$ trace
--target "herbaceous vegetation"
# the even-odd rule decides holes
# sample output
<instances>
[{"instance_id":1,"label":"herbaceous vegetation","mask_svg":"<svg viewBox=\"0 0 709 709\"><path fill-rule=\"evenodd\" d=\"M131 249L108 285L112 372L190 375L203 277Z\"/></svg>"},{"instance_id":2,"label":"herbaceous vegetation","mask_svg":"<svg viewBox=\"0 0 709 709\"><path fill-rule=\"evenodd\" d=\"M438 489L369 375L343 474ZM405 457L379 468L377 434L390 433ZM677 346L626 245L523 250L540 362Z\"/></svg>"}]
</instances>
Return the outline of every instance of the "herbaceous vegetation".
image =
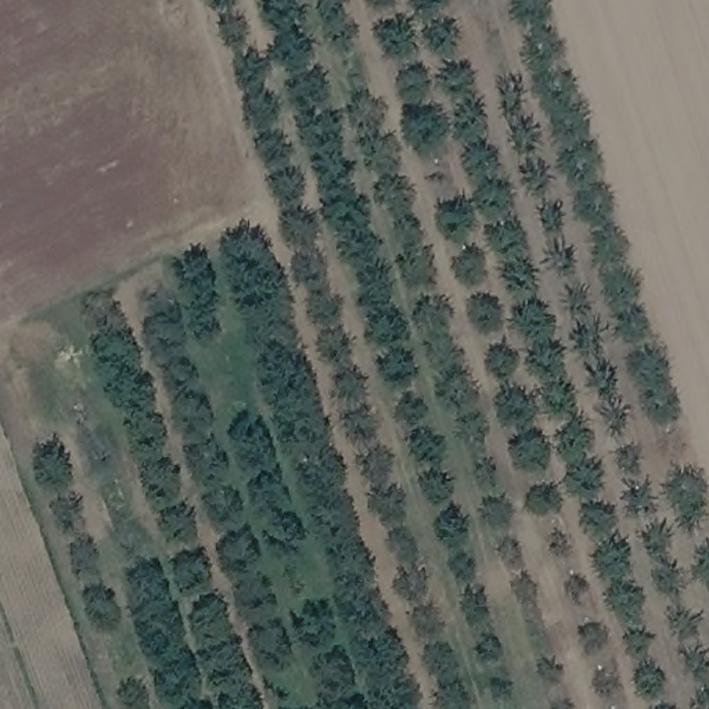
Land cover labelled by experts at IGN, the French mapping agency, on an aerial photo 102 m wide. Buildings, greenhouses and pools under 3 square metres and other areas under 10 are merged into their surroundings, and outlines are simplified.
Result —
<instances>
[{"instance_id":1,"label":"herbaceous vegetation","mask_svg":"<svg viewBox=\"0 0 709 709\"><path fill-rule=\"evenodd\" d=\"M0 427L8 440L11 465L19 476L25 501L39 526L55 584L69 612L83 654L86 676L97 698L94 709L114 709L119 703L119 684L125 679L136 679L144 687L147 703L152 709L155 709L161 703L161 695L155 690L150 659L144 656L141 640L133 626L125 571L144 559L163 559L194 548L205 548L213 590L224 598L227 620L238 634L241 654L252 676L252 695L260 698L263 709L313 709L318 703L318 695L316 681L310 676L313 659L307 645L291 645L291 665L282 670L277 665L260 667L249 643L249 626L238 615L235 590L230 576L222 571L216 548L222 535L241 529L246 523L252 526L260 559L246 568L258 576L271 579L271 593L277 595L277 615L285 623L285 631L296 629L291 615L296 615L305 607L305 601L321 601L332 595L324 537L318 537L318 526L310 518L310 499L299 493L294 460L288 454L277 454L282 482L288 485L288 496L280 507L302 518L305 537L296 554L282 554L269 546L269 537L285 540L288 532L277 526L271 515L258 512L258 504L249 496L249 479L255 474L252 468L241 468L235 440L227 432L238 410L252 410L263 421L274 415L260 385L260 355L252 343L246 343L241 310L233 302L230 269L219 246L219 238L238 224L260 227L271 244L271 255L282 266L285 285L294 296L299 352L307 357L316 374L321 410L330 418L330 440L335 451L343 457L346 493L355 504L360 537L374 557L374 584L382 601L388 604L391 626L399 631L399 640L407 651L407 673L418 687L421 709L429 709L435 703L438 681L435 676L429 676L424 665L424 645L410 620L410 604L393 587L396 551L391 551L388 546L385 523L368 507L371 487L363 479L355 443L343 429L343 413L338 410L338 396L332 391L332 366L318 352L318 332L307 316L307 288L296 280L291 246L285 244L280 230L277 199L269 188L266 166L255 152L255 133L244 125L244 94L235 80L233 64L252 47L266 50L274 42L271 28L260 17L260 0L152 0L155 14L163 30L169 33L169 44L191 47L208 55L208 61L202 64L202 78L210 122L227 130L233 127L238 150L246 163L244 180L249 183L249 194L255 197L246 208L233 208L216 216L213 222L205 222L197 230L183 233L183 244L188 249L202 246L216 271L219 330L199 341L194 338L194 330L186 330L186 355L197 363L194 388L208 393L213 407L210 432L227 451L224 482L241 493L241 512L230 515L230 521L213 526L208 518L208 510L202 504L202 487L194 482L186 460L183 432L174 424L172 399L163 385L163 368L152 360L150 343L144 338L147 310L138 302L141 291L155 291L158 285L166 285L169 305L191 302L188 288L183 288L172 271L174 258L150 252L122 258L116 260L119 271L97 271L91 277L78 280L75 296L64 296L50 305L33 305L30 313L14 310L6 321L0 321ZM246 39L241 44L227 47L222 42L222 14L241 14L246 19ZM155 410L163 415L166 429L163 454L180 468L180 501L194 510L197 532L186 540L169 540L161 532L158 512L152 510L141 487L138 463L130 454L125 410L114 407L102 391L102 382L97 382L91 357L91 338L97 335L97 327L83 316L80 307L80 294L89 288L116 291L116 302L138 346L138 368L147 371L152 379ZM72 463L69 485L44 487L36 479L33 451L47 440L64 443ZM97 543L100 568L94 573L75 576L69 557L72 540L58 526L53 512L55 496L80 499L86 532ZM102 631L86 615L83 587L89 584L105 584L114 590L119 607L116 629Z\"/></svg>"},{"instance_id":2,"label":"herbaceous vegetation","mask_svg":"<svg viewBox=\"0 0 709 709\"><path fill-rule=\"evenodd\" d=\"M535 94L532 69L523 58L523 39L529 36L529 25L518 25L518 19L510 11L510 0L446 0L438 8L443 19L454 19L460 30L457 58L468 61L474 69L476 94L487 116L487 141L499 150L501 174L510 183L515 199L515 216L529 241L532 266L546 258L548 249L540 208L548 208L551 202L559 202L562 208L565 244L573 249L573 269L559 274L551 269L548 274L543 274L537 280L537 294L554 316L554 341L559 341L562 346L562 366L568 382L573 385L576 410L593 432L593 446L587 449L587 457L598 460L604 471L598 490L582 490L579 496L573 496L565 479L565 463L559 457L557 435L565 427L565 421L559 415L535 418L535 427L546 435L548 443L548 465L537 471L521 471L510 451L510 438L515 435L515 427L501 424L496 410L499 379L485 366L490 346L507 343L515 352L512 377L523 391L540 388L543 379L529 368L526 338L518 332L512 321L512 294L501 280L499 252L485 235L487 216L474 213L471 230L451 233L449 238L438 227L438 202L474 194L474 186L463 169L463 144L454 136L443 136L443 141L432 147L429 155L418 158L402 127L402 100L396 91L396 75L410 64L427 66L427 102L438 105L440 114L454 111L451 94L440 86L443 66L438 61L438 53L427 47L388 58L379 39L374 36L377 22L404 17L413 8L410 0L346 0L343 8L349 19L357 25L357 36L352 39L349 50L335 50L324 36L324 22L318 17L316 0L299 0L305 6L302 33L307 33L313 42L307 64L324 69L330 105L343 108L349 102L349 94L357 89L368 89L374 97L385 102L382 133L391 133L399 144L399 174L413 186L413 213L421 222L424 244L429 244L435 255L435 282L410 288L404 285L399 269L402 244L393 235L393 219L388 208L377 202L374 191L377 172L366 169L366 152L357 144L357 130L352 127L352 122L341 122L343 158L349 158L355 166L352 186L357 194L366 197L368 227L374 235L379 235L377 252L388 266L393 285L391 299L402 310L404 327L410 332L410 352L418 368L418 374L410 382L385 382L377 368L377 357L385 355L385 346L366 341L366 318L357 307L357 277L352 266L341 260L335 233L324 219L313 161L305 141L299 138L296 108L285 86L285 66L271 66L263 83L277 100L277 127L291 144L291 166L299 169L305 180L302 208L307 208L316 216L316 249L321 252L327 266L330 294L341 296L341 324L349 335L352 363L366 377L366 402L377 424L379 446L393 451L393 465L388 476L396 487L404 490L404 518L410 535L418 543L418 568L429 571L424 601L435 604L438 618L443 620L443 640L457 654L460 679L476 709L687 709L695 701L695 679L692 673L687 673L679 648L709 648L709 587L698 579L695 584L687 584L681 590L684 609L698 612L701 623L698 634L679 637L667 623L667 598L656 590L654 559L645 551L643 532L654 523L667 526L667 551L676 568L695 565L698 548L709 543L709 515L703 512L692 529L684 529L665 490L665 482L673 471L690 468L698 457L687 443L681 424L676 421L656 424L645 415L640 388L629 374L629 352L659 346L656 332L651 330L643 338L631 341L623 341L615 332L618 318L607 305L604 282L598 277L598 269L593 266L590 224L582 222L576 213L571 183L559 169L559 147L551 133L551 119L540 105L540 97ZM496 89L496 80L504 75L521 75L523 80L521 108L537 130L537 147L532 152L515 152L512 147L507 116L501 111ZM521 166L526 161L540 158L546 161L548 188L532 194L523 183ZM451 260L468 246L476 246L482 252L485 277L479 282L463 285L454 277ZM620 399L620 410L626 413L626 427L615 435L598 413L598 393L587 382L587 371L571 335L576 324L571 321L565 291L579 285L584 288L590 310L598 318L604 360L615 366L615 396ZM449 332L454 343L463 349L465 368L479 391L479 413L487 427L485 440L457 438L457 415L454 410L443 407L443 402L435 393L440 371L427 357L424 335L413 316L413 305L421 296L438 294L443 294L451 305ZM490 294L499 299L501 321L496 330L479 332L468 318L468 299L479 294ZM443 471L454 485L454 504L468 518L465 551L474 554L476 565L476 571L468 579L457 579L451 573L449 548L435 535L435 518L449 504L429 504L421 490L418 476L429 471L429 463L418 463L410 454L410 435L404 432L404 424L396 421L396 407L404 393L424 399L429 429L438 432L446 443ZM618 468L618 449L623 449L623 446L637 446L637 449L640 449L640 468L637 468L637 471L620 471L620 468ZM474 479L474 463L482 463L485 457L493 457L496 463L496 485L479 485ZM562 501L559 510L543 515L529 512L526 490L535 485L554 485ZM626 507L626 490L637 490L643 485L648 485L651 490L654 512L631 515ZM501 496L512 504L512 521L507 526L487 526L482 521L479 504L485 496ZM595 546L579 518L587 501L612 504L618 535L629 543L631 582L643 590L643 609L629 620L620 620L609 609L607 587L593 565ZM518 537L521 543L523 559L512 568L499 554L501 537ZM523 573L529 573L537 582L537 598L532 604L521 604L512 590L512 579ZM476 623L468 623L463 615L463 593L474 587L485 587L487 615ZM584 654L579 640L582 623L601 623L607 629L607 643ZM634 662L623 640L629 629L651 631L648 654L654 665L659 665L665 673L665 687L654 695L643 695L634 687ZM501 640L501 656L479 659L476 640L490 631ZM562 679L554 684L543 681L537 676L537 659L557 659L562 665ZM620 687L612 695L598 695L593 690L593 673L604 670L607 659L618 659Z\"/></svg>"}]
</instances>

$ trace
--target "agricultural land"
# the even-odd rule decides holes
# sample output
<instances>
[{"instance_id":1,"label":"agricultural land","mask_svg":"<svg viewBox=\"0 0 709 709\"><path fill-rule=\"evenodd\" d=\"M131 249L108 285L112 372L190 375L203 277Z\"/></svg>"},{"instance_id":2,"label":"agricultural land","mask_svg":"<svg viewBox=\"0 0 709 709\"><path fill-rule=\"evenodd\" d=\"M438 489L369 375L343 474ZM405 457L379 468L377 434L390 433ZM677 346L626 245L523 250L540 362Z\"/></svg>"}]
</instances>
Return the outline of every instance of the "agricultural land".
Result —
<instances>
[{"instance_id":1,"label":"agricultural land","mask_svg":"<svg viewBox=\"0 0 709 709\"><path fill-rule=\"evenodd\" d=\"M233 208L246 208L255 197L249 194L249 183L244 180L246 163L238 150L233 127L227 130L210 122L202 78L202 64L208 61L208 55L191 47L169 44L169 33L163 30L155 14L152 0L0 0L0 321L6 321L14 310L30 313L33 305L50 305L64 296L75 296L78 280L91 277L97 271L119 271L116 260L122 258L150 252L174 258L188 249L183 244L183 233L197 230L205 222L213 222L216 216Z\"/></svg>"},{"instance_id":2,"label":"agricultural land","mask_svg":"<svg viewBox=\"0 0 709 709\"><path fill-rule=\"evenodd\" d=\"M86 676L83 654L69 612L55 584L39 526L25 501L19 476L11 465L8 440L0 427L0 709L94 709L97 698Z\"/></svg>"},{"instance_id":3,"label":"agricultural land","mask_svg":"<svg viewBox=\"0 0 709 709\"><path fill-rule=\"evenodd\" d=\"M659 346L667 357L670 382L679 396L676 421L681 424L687 443L698 457L690 468L698 468L706 479L703 512L709 515L709 0L548 0L551 25L565 44L568 66L590 111L590 136L598 144L604 161L604 183L612 191L612 219L629 241L626 260L631 274L637 274L640 280L640 307L645 310L651 330L656 332Z\"/></svg>"}]
</instances>

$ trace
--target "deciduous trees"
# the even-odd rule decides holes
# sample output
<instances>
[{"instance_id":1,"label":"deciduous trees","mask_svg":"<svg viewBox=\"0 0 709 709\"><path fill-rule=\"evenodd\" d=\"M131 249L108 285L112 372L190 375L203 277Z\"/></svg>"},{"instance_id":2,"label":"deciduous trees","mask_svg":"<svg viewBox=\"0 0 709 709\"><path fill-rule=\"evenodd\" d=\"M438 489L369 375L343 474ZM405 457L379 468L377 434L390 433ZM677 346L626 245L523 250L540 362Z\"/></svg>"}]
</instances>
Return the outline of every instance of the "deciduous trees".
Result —
<instances>
[{"instance_id":1,"label":"deciduous trees","mask_svg":"<svg viewBox=\"0 0 709 709\"><path fill-rule=\"evenodd\" d=\"M501 656L501 640L490 631L476 640L479 659Z\"/></svg>"},{"instance_id":2,"label":"deciduous trees","mask_svg":"<svg viewBox=\"0 0 709 709\"><path fill-rule=\"evenodd\" d=\"M573 269L573 249L565 244L562 208L559 202L551 202L548 208L540 208L548 249L546 258L532 266L529 241L515 216L515 199L510 183L501 174L499 150L487 141L487 116L476 94L474 69L468 61L457 58L460 30L454 19L443 19L438 8L446 0L410 0L413 8L404 17L377 22L374 36L379 39L388 58L427 47L438 53L438 61L443 66L440 86L451 94L454 111L440 114L438 105L427 102L427 66L410 64L396 75L396 91L402 100L402 127L418 158L429 155L432 147L443 141L443 136L454 136L463 144L463 169L474 186L474 194L438 202L438 227L449 238L451 233L471 230L474 213L487 216L485 235L499 252L501 280L512 294L512 321L518 332L526 338L529 368L543 379L540 388L523 391L512 377L515 352L507 343L490 346L485 366L499 379L496 410L501 424L515 427L515 435L510 438L510 451L521 471L537 471L548 465L548 443L546 435L535 427L535 418L559 415L565 421L565 427L557 435L559 457L565 463L565 479L573 496L579 496L582 490L598 490L604 471L598 460L587 457L587 449L593 446L593 432L576 410L573 385L568 382L562 366L562 346L559 341L554 341L554 316L537 294L537 280L543 274L548 274L551 269L559 274Z\"/></svg>"},{"instance_id":3,"label":"deciduous trees","mask_svg":"<svg viewBox=\"0 0 709 709\"><path fill-rule=\"evenodd\" d=\"M551 25L548 0L510 0L510 11L518 19L518 25L529 25L529 36L523 39L523 58L532 69L535 94L540 97L540 105L551 119L551 133L559 147L559 169L571 183L576 213L582 222L590 224L593 266L598 269L598 277L604 282L607 305L618 318L615 332L623 341L631 341L643 338L651 330L645 310L640 307L640 280L637 274L631 274L626 260L629 241L612 219L612 191L604 183L604 161L598 144L590 136L590 111L568 66L565 44Z\"/></svg>"},{"instance_id":4,"label":"deciduous trees","mask_svg":"<svg viewBox=\"0 0 709 709\"><path fill-rule=\"evenodd\" d=\"M540 158L526 161L521 166L523 183L532 194L548 188L546 161Z\"/></svg>"},{"instance_id":5,"label":"deciduous trees","mask_svg":"<svg viewBox=\"0 0 709 709\"><path fill-rule=\"evenodd\" d=\"M64 443L47 440L33 451L36 479L44 487L69 485L72 463Z\"/></svg>"},{"instance_id":6,"label":"deciduous trees","mask_svg":"<svg viewBox=\"0 0 709 709\"><path fill-rule=\"evenodd\" d=\"M598 413L615 435L626 427L626 413L620 410L620 399L615 396L615 366L604 360L598 318L590 310L584 288L579 285L565 291L571 321L576 324L571 335L587 371L587 382L598 393Z\"/></svg>"},{"instance_id":7,"label":"deciduous trees","mask_svg":"<svg viewBox=\"0 0 709 709\"><path fill-rule=\"evenodd\" d=\"M582 623L579 640L584 654L607 643L607 629L601 623Z\"/></svg>"},{"instance_id":8,"label":"deciduous trees","mask_svg":"<svg viewBox=\"0 0 709 709\"><path fill-rule=\"evenodd\" d=\"M465 551L468 518L454 504L454 485L443 471L446 443L438 432L429 429L424 399L404 393L396 407L396 421L404 424L404 432L410 435L410 454L418 463L429 463L429 471L418 476L421 490L429 504L449 504L435 518L435 535L449 548L451 573L457 579L468 579L476 571L476 565L474 554Z\"/></svg>"},{"instance_id":9,"label":"deciduous trees","mask_svg":"<svg viewBox=\"0 0 709 709\"><path fill-rule=\"evenodd\" d=\"M338 396L338 410L343 413L343 429L355 443L363 479L371 487L368 507L385 523L388 546L391 551L396 551L393 587L410 604L410 620L424 645L424 665L429 676L435 676L438 681L435 703L429 709L476 709L460 679L457 654L443 640L443 620L438 618L435 604L424 601L429 571L418 568L418 543L410 535L404 518L404 490L396 487L388 476L393 465L393 451L379 446L377 424L366 402L366 377L352 363L349 335L341 324L341 296L330 294L327 266L321 252L316 249L316 216L307 208L302 208L305 180L299 169L291 166L291 144L277 127L277 100L263 83L271 66L285 66L285 86L296 108L299 138L305 141L313 161L324 219L335 233L341 260L352 266L357 277L357 307L366 318L366 341L385 346L385 355L377 357L377 368L385 382L410 382L418 374L418 368L410 352L410 332L404 327L402 310L391 299L393 285L388 266L377 252L379 235L374 235L368 227L366 197L357 194L352 186L355 166L349 158L343 158L341 122L352 122L352 127L357 130L357 144L366 152L366 169L377 172L374 191L377 202L388 208L393 219L393 235L402 244L399 269L404 285L410 288L435 282L435 255L429 244L424 244L421 222L413 213L413 186L399 174L399 144L391 133L382 133L385 102L374 97L368 89L357 89L349 94L349 102L343 108L330 105L324 69L307 64L313 42L307 33L302 33L305 6L299 0L260 0L260 17L271 28L274 42L266 50L252 47L233 64L235 80L244 94L244 125L255 133L255 152L266 166L269 188L277 199L280 230L285 244L291 246L296 280L307 288L307 316L318 332L318 352L332 366L332 391Z\"/></svg>"},{"instance_id":10,"label":"deciduous trees","mask_svg":"<svg viewBox=\"0 0 709 709\"><path fill-rule=\"evenodd\" d=\"M161 532L169 540L186 540L197 532L194 510L180 501L180 468L163 454L166 429L163 415L155 410L152 379L147 371L138 368L138 346L116 302L116 291L89 288L80 294L80 307L83 316L97 327L97 335L91 338L91 357L97 382L102 382L102 391L114 407L125 410L130 454L138 463L141 487L152 510L158 512Z\"/></svg>"},{"instance_id":11,"label":"deciduous trees","mask_svg":"<svg viewBox=\"0 0 709 709\"><path fill-rule=\"evenodd\" d=\"M543 681L554 684L562 679L562 665L557 659L537 659L537 676Z\"/></svg>"},{"instance_id":12,"label":"deciduous trees","mask_svg":"<svg viewBox=\"0 0 709 709\"><path fill-rule=\"evenodd\" d=\"M651 490L648 485L643 485L637 490L626 490L626 507L631 515L654 512Z\"/></svg>"},{"instance_id":13,"label":"deciduous trees","mask_svg":"<svg viewBox=\"0 0 709 709\"><path fill-rule=\"evenodd\" d=\"M656 424L676 421L679 396L670 382L667 357L659 346L629 352L629 374L640 388L645 415Z\"/></svg>"},{"instance_id":14,"label":"deciduous trees","mask_svg":"<svg viewBox=\"0 0 709 709\"><path fill-rule=\"evenodd\" d=\"M150 343L152 360L163 368L163 385L172 399L174 424L183 432L186 460L194 482L202 487L202 504L208 510L208 518L213 526L230 521L230 515L241 512L241 493L224 482L227 451L210 432L213 407L208 393L194 388L197 363L186 355L186 330L194 330L194 338L199 341L219 330L216 271L202 246L188 249L174 258L172 271L183 288L188 288L191 302L169 305L166 285L158 285L155 291L141 291L138 302L147 310L144 338Z\"/></svg>"},{"instance_id":15,"label":"deciduous trees","mask_svg":"<svg viewBox=\"0 0 709 709\"><path fill-rule=\"evenodd\" d=\"M523 80L521 75L504 75L496 80L496 89L501 111L507 116L512 147L515 152L532 152L537 147L537 130L521 108Z\"/></svg>"},{"instance_id":16,"label":"deciduous trees","mask_svg":"<svg viewBox=\"0 0 709 709\"><path fill-rule=\"evenodd\" d=\"M463 285L479 282L485 277L482 252L476 246L468 246L451 260L454 277Z\"/></svg>"},{"instance_id":17,"label":"deciduous trees","mask_svg":"<svg viewBox=\"0 0 709 709\"><path fill-rule=\"evenodd\" d=\"M252 676L241 654L238 634L227 620L224 598L213 590L205 548L194 548L163 559L144 559L125 571L133 626L141 640L144 656L150 659L155 690L161 695L161 703L155 709L263 709L260 698L252 695Z\"/></svg>"},{"instance_id":18,"label":"deciduous trees","mask_svg":"<svg viewBox=\"0 0 709 709\"><path fill-rule=\"evenodd\" d=\"M537 582L529 573L523 573L512 579L512 590L521 604L532 604L537 598Z\"/></svg>"},{"instance_id":19,"label":"deciduous trees","mask_svg":"<svg viewBox=\"0 0 709 709\"><path fill-rule=\"evenodd\" d=\"M618 468L620 468L620 471L637 471L637 468L640 468L640 449L637 449L637 446L623 446L623 449L618 449Z\"/></svg>"},{"instance_id":20,"label":"deciduous trees","mask_svg":"<svg viewBox=\"0 0 709 709\"><path fill-rule=\"evenodd\" d=\"M119 703L114 709L152 709L147 703L144 687L136 679L125 679L119 684Z\"/></svg>"},{"instance_id":21,"label":"deciduous trees","mask_svg":"<svg viewBox=\"0 0 709 709\"><path fill-rule=\"evenodd\" d=\"M479 413L479 391L465 368L463 349L454 343L449 332L451 305L443 294L438 294L421 296L413 305L413 316L424 335L427 357L440 371L435 393L443 402L443 407L454 410L457 415L457 438L485 440L487 427Z\"/></svg>"},{"instance_id":22,"label":"deciduous trees","mask_svg":"<svg viewBox=\"0 0 709 709\"><path fill-rule=\"evenodd\" d=\"M496 330L501 321L499 299L490 294L479 294L468 299L468 318L479 332Z\"/></svg>"},{"instance_id":23,"label":"deciduous trees","mask_svg":"<svg viewBox=\"0 0 709 709\"><path fill-rule=\"evenodd\" d=\"M241 44L246 39L246 19L241 14L222 14L222 42L227 47Z\"/></svg>"},{"instance_id":24,"label":"deciduous trees","mask_svg":"<svg viewBox=\"0 0 709 709\"><path fill-rule=\"evenodd\" d=\"M554 485L535 485L526 490L529 512L543 515L559 510L562 501Z\"/></svg>"},{"instance_id":25,"label":"deciduous trees","mask_svg":"<svg viewBox=\"0 0 709 709\"><path fill-rule=\"evenodd\" d=\"M100 568L97 543L86 532L80 499L55 496L53 512L58 526L72 540L69 557L75 576L94 573Z\"/></svg>"},{"instance_id":26,"label":"deciduous trees","mask_svg":"<svg viewBox=\"0 0 709 709\"><path fill-rule=\"evenodd\" d=\"M496 485L496 463L493 457L485 457L482 463L474 463L474 479L479 485Z\"/></svg>"},{"instance_id":27,"label":"deciduous trees","mask_svg":"<svg viewBox=\"0 0 709 709\"><path fill-rule=\"evenodd\" d=\"M512 521L512 504L501 496L485 496L479 504L482 521L487 526L507 526Z\"/></svg>"},{"instance_id":28,"label":"deciduous trees","mask_svg":"<svg viewBox=\"0 0 709 709\"><path fill-rule=\"evenodd\" d=\"M684 609L681 590L687 584L695 584L698 579L709 587L709 543L698 548L695 565L676 568L667 551L667 526L654 523L643 532L645 551L654 559L656 590L667 598L667 623L679 637L698 634L701 623L698 612Z\"/></svg>"},{"instance_id":29,"label":"deciduous trees","mask_svg":"<svg viewBox=\"0 0 709 709\"><path fill-rule=\"evenodd\" d=\"M709 648L679 648L687 673L692 673L695 679L695 701L687 709L709 709Z\"/></svg>"},{"instance_id":30,"label":"deciduous trees","mask_svg":"<svg viewBox=\"0 0 709 709\"><path fill-rule=\"evenodd\" d=\"M332 595L321 601L305 601L305 607L296 615L291 615L296 629L285 631L285 623L277 615L277 595L271 593L271 579L258 576L246 568L260 559L252 526L246 523L241 529L222 535L216 548L222 571L230 576L235 590L238 615L249 626L249 643L260 667L277 665L282 670L291 665L291 645L307 645L313 659L310 676L316 681L318 695L318 703L313 709L421 709L418 687L407 673L407 651L399 640L399 631L391 626L388 604L382 601L374 584L374 557L360 537L355 504L346 493L343 457L335 451L330 440L330 418L321 410L316 374L307 357L299 352L294 296L285 285L282 266L271 255L271 244L260 227L238 224L219 238L219 246L230 269L233 302L241 310L246 343L252 343L260 355L260 385L274 415L263 421L252 410L238 410L227 432L235 440L241 468L252 468L255 474L249 479L249 496L258 504L258 512L271 515L277 526L288 532L285 540L269 537L269 546L282 554L296 554L305 537L302 518L280 507L288 496L288 485L282 482L277 454L288 454L294 460L299 493L310 499L310 518L318 526L318 537L324 537Z\"/></svg>"},{"instance_id":31,"label":"deciduous trees","mask_svg":"<svg viewBox=\"0 0 709 709\"><path fill-rule=\"evenodd\" d=\"M463 615L468 623L476 623L487 615L485 587L474 587L463 593Z\"/></svg>"},{"instance_id":32,"label":"deciduous trees","mask_svg":"<svg viewBox=\"0 0 709 709\"><path fill-rule=\"evenodd\" d=\"M665 673L659 665L654 665L648 654L651 631L629 629L623 640L634 662L634 687L643 695L654 695L665 687Z\"/></svg>"},{"instance_id":33,"label":"deciduous trees","mask_svg":"<svg viewBox=\"0 0 709 709\"><path fill-rule=\"evenodd\" d=\"M89 584L83 587L86 615L102 631L116 629L119 607L114 590L105 584Z\"/></svg>"},{"instance_id":34,"label":"deciduous trees","mask_svg":"<svg viewBox=\"0 0 709 709\"><path fill-rule=\"evenodd\" d=\"M512 568L523 559L521 543L518 537L501 537L499 554Z\"/></svg>"},{"instance_id":35,"label":"deciduous trees","mask_svg":"<svg viewBox=\"0 0 709 709\"><path fill-rule=\"evenodd\" d=\"M595 546L593 565L607 587L609 609L620 620L629 620L643 609L643 590L631 582L629 543L618 535L612 504L587 501L579 518Z\"/></svg>"},{"instance_id":36,"label":"deciduous trees","mask_svg":"<svg viewBox=\"0 0 709 709\"><path fill-rule=\"evenodd\" d=\"M335 50L349 50L352 39L357 36L357 25L349 19L343 8L346 0L316 0L318 17L324 22L324 36Z\"/></svg>"},{"instance_id":37,"label":"deciduous trees","mask_svg":"<svg viewBox=\"0 0 709 709\"><path fill-rule=\"evenodd\" d=\"M706 479L698 468L690 468L673 471L665 482L665 490L684 529L692 529L703 512Z\"/></svg>"},{"instance_id":38,"label":"deciduous trees","mask_svg":"<svg viewBox=\"0 0 709 709\"><path fill-rule=\"evenodd\" d=\"M612 695L620 687L618 659L607 659L604 670L593 673L593 690L598 695Z\"/></svg>"}]
</instances>

